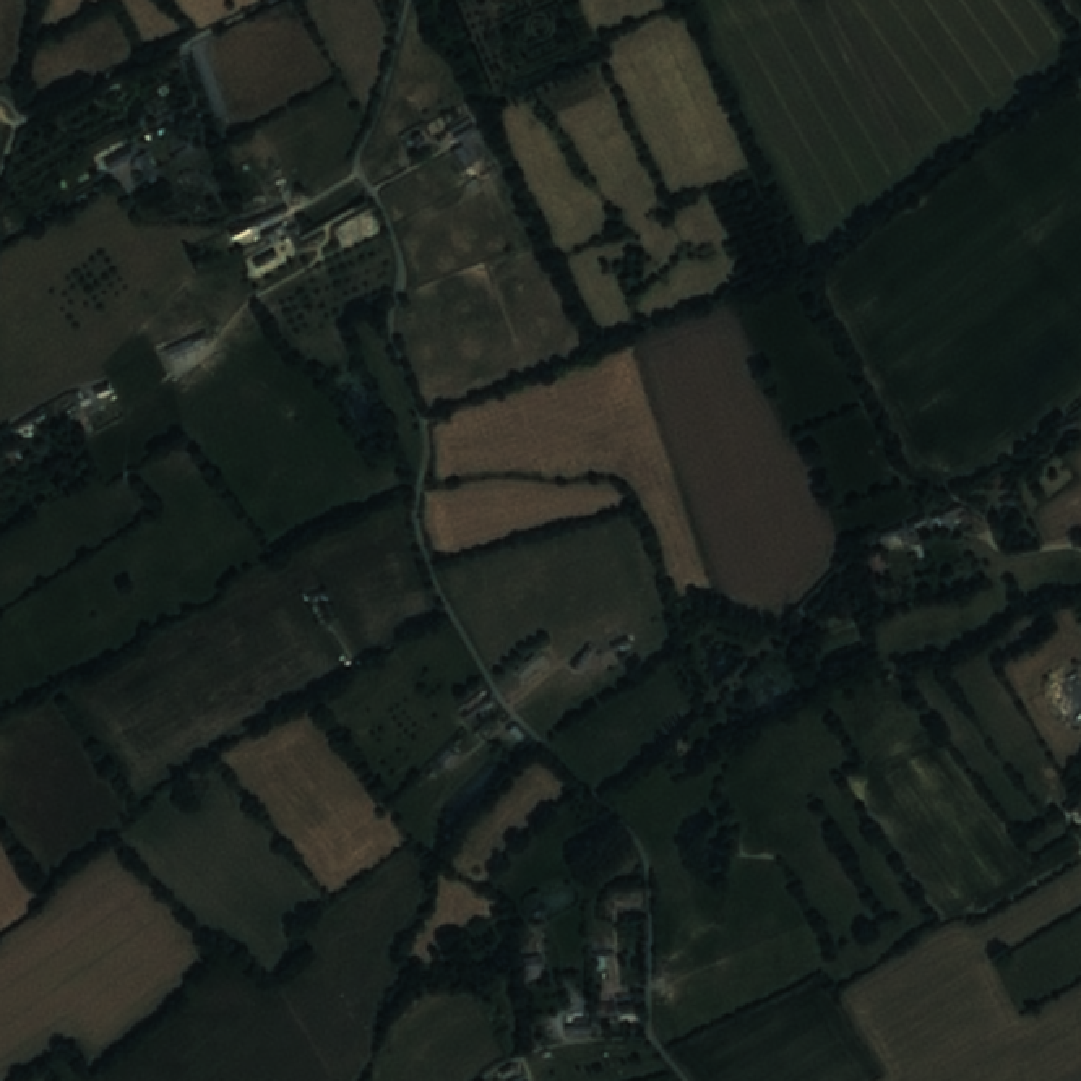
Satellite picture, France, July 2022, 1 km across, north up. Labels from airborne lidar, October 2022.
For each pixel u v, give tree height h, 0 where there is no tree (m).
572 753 0
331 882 0
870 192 0
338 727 15
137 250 0
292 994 0
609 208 10
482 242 0
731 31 0
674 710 0
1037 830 10
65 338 0
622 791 13
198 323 0
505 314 0
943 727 18
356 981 0
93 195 8
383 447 30
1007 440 0
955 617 0
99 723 0
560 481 10
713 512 0
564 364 17
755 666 15
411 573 0
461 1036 0
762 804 0
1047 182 0
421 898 0
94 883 0
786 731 0
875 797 0
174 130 14
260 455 0
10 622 0
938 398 0
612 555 0
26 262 0
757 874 0
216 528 0
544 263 20
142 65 19
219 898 0
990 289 0
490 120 16
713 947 0
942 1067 0
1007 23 0
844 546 16
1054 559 0
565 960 0
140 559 0
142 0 0
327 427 0
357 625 0
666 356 0
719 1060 0
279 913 0
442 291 0
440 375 0
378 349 0
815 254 16
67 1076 0
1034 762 0
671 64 0
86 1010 0
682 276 0
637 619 0
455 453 0
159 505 16
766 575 0
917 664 12
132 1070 0
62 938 0
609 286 0
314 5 0
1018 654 17
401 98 0
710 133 0
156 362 0
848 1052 0
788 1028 0
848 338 14
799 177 0
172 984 0
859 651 14
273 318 17
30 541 0
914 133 0
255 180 0
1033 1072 0
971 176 0
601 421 0
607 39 14
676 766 25
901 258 0
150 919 0
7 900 0
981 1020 0
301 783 0
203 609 7
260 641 0
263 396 0
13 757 0
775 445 0
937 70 0
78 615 0
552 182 0
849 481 0
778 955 0
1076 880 0
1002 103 0
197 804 10
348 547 0
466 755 0
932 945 0
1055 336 0
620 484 13
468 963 11
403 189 0
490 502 0
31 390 0
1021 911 0
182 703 0
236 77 0
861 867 15
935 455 0
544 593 0
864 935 18
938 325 0
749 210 9
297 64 0
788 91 0
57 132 11
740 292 20
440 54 6
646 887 13
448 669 0
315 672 0
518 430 0
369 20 0
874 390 13
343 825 0
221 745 11
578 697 0
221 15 0
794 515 0
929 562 6
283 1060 0
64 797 0
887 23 0
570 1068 0
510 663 13
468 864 0
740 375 0
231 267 0
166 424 0
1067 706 0
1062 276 0
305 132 0
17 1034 0
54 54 0
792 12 0
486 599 0
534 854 0
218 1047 0
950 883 0
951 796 0
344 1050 0
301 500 0
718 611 15
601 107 0
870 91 0
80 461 8
